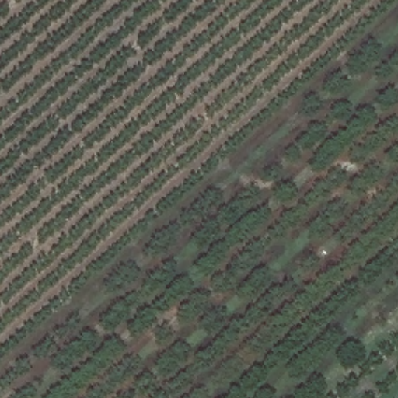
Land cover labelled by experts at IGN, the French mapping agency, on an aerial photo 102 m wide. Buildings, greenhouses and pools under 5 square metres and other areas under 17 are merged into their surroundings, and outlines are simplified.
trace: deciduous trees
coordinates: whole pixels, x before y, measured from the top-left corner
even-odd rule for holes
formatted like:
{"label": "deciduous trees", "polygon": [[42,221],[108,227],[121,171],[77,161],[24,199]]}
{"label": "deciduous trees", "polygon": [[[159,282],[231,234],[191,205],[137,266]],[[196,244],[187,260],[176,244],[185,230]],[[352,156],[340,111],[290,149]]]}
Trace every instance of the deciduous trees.
{"label": "deciduous trees", "polygon": [[398,398],[398,0],[0,0],[0,398]]}

